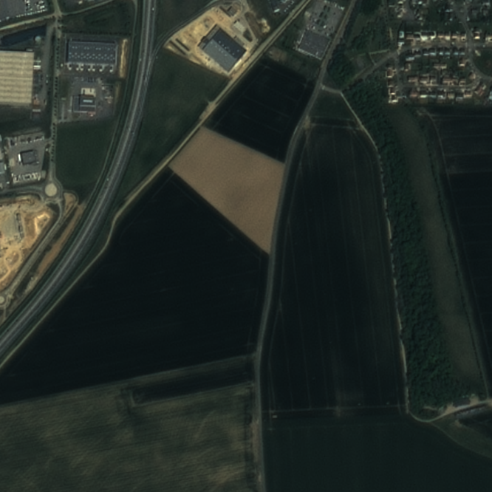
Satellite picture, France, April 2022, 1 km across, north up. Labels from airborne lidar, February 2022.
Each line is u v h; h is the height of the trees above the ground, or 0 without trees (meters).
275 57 0
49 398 0
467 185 0
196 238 0
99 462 0
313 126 0
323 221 0
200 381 0
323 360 0
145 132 0
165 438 0
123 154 0
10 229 0
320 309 0
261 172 0
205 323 0
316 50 0
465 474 0
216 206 0
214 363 0
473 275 0
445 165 0
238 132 0
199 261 0
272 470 0
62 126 0
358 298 0
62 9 0
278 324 0
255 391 0
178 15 0
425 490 0
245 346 0
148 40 0
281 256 0
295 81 0
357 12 8
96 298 0
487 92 0
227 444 0
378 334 0
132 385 0
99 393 0
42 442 0
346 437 0
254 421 0
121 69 0
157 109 0
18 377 0
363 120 14
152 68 0
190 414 0
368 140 0
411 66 0
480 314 0
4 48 0
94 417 0
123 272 0
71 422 0
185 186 0
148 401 0
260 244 0
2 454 0
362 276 0
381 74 0
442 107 0
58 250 0
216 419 0
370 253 0
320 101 0
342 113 0
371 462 0
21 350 0
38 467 0
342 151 0
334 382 0
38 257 0
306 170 0
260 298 0
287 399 0
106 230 0
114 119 0
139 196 0
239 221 0
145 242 0
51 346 0
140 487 0
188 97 0
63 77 0
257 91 0
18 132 0
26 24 0
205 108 0
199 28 0
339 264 0
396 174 18
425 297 13
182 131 0
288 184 0
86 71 0
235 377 0
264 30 0
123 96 0
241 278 0
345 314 0
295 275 0
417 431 0
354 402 0
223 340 0
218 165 0
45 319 0
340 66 18
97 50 0
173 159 0
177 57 0
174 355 0
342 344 0
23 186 0
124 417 0
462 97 0
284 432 0
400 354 0
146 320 0
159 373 0
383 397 0
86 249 0
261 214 0
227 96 0
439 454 0
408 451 0
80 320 0
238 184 0
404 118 0
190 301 0
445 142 0
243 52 0
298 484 0
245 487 0
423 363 20
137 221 0
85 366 0
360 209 0
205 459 0
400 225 13
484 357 0
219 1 0
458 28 0
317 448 0
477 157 0
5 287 0
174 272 0
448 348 10
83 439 0
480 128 0
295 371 0
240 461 0
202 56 0
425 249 14
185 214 0
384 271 0
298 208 0
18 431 0
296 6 0
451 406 0
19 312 0
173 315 0
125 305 0
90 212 0
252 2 0
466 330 0
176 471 0
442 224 0
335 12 0
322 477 0
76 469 0
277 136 0
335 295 0
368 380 0
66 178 0
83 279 0
